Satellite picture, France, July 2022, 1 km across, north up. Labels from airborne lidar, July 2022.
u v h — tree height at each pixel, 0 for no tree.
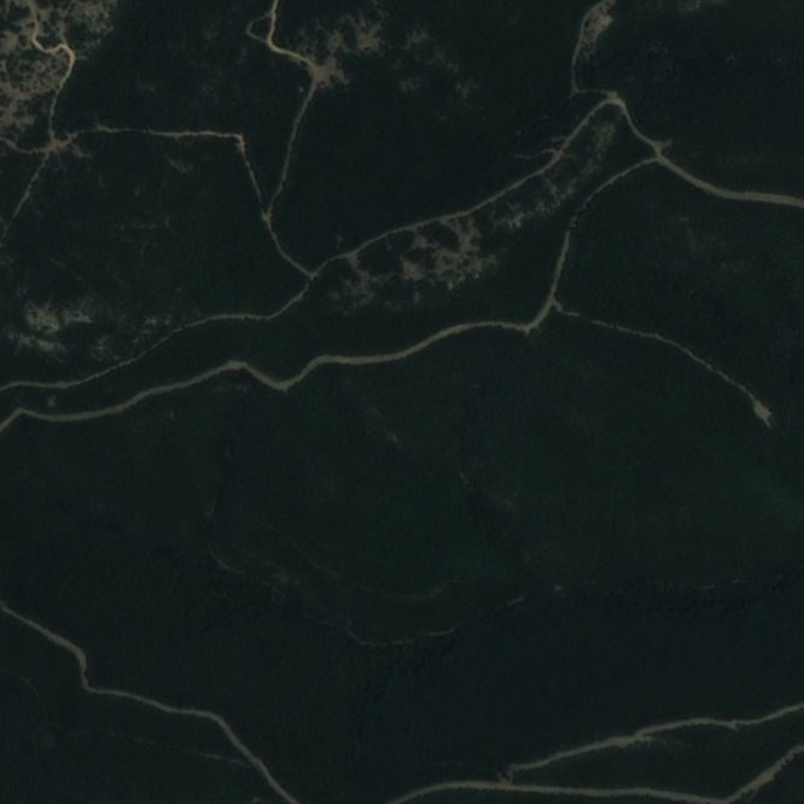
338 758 13
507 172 7
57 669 9
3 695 7
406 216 8
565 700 10
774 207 6
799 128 8
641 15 9
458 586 7
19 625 8
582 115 6
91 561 11
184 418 8
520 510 6
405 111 6
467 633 10
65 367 7
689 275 10
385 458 8
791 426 13
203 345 11
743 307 9
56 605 11
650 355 12
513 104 7
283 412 8
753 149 6
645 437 7
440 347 7
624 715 6
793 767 8
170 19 6
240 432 8
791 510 5
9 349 7
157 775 7
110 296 6
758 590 7
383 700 10
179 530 7
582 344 9
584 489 6
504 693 9
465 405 9
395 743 10
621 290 14
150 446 8
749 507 7
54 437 8
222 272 7
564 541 6
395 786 10
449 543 9
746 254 8
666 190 6
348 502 6
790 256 7
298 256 7
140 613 10
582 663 10
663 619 14
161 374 7
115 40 7
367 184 8
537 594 8
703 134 7
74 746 8
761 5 8
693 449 7
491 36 5
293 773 12
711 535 7
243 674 7
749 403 13
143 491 7
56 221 5
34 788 13
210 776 5
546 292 8
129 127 7
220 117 6
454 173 8
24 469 8
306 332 6
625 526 6
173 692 9
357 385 6
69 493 7
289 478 5
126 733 9
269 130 7
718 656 12
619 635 9
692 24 13
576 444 7
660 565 6
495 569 8
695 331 14
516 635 9
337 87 7
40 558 11
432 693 12
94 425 8
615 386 6
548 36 6
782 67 8
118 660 13
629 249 10
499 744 10
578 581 9
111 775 8
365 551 6
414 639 7
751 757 7
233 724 11
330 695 10
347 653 10
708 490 6
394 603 7
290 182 8
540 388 6
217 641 9
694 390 13
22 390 7
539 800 6
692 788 6
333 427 11
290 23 6
